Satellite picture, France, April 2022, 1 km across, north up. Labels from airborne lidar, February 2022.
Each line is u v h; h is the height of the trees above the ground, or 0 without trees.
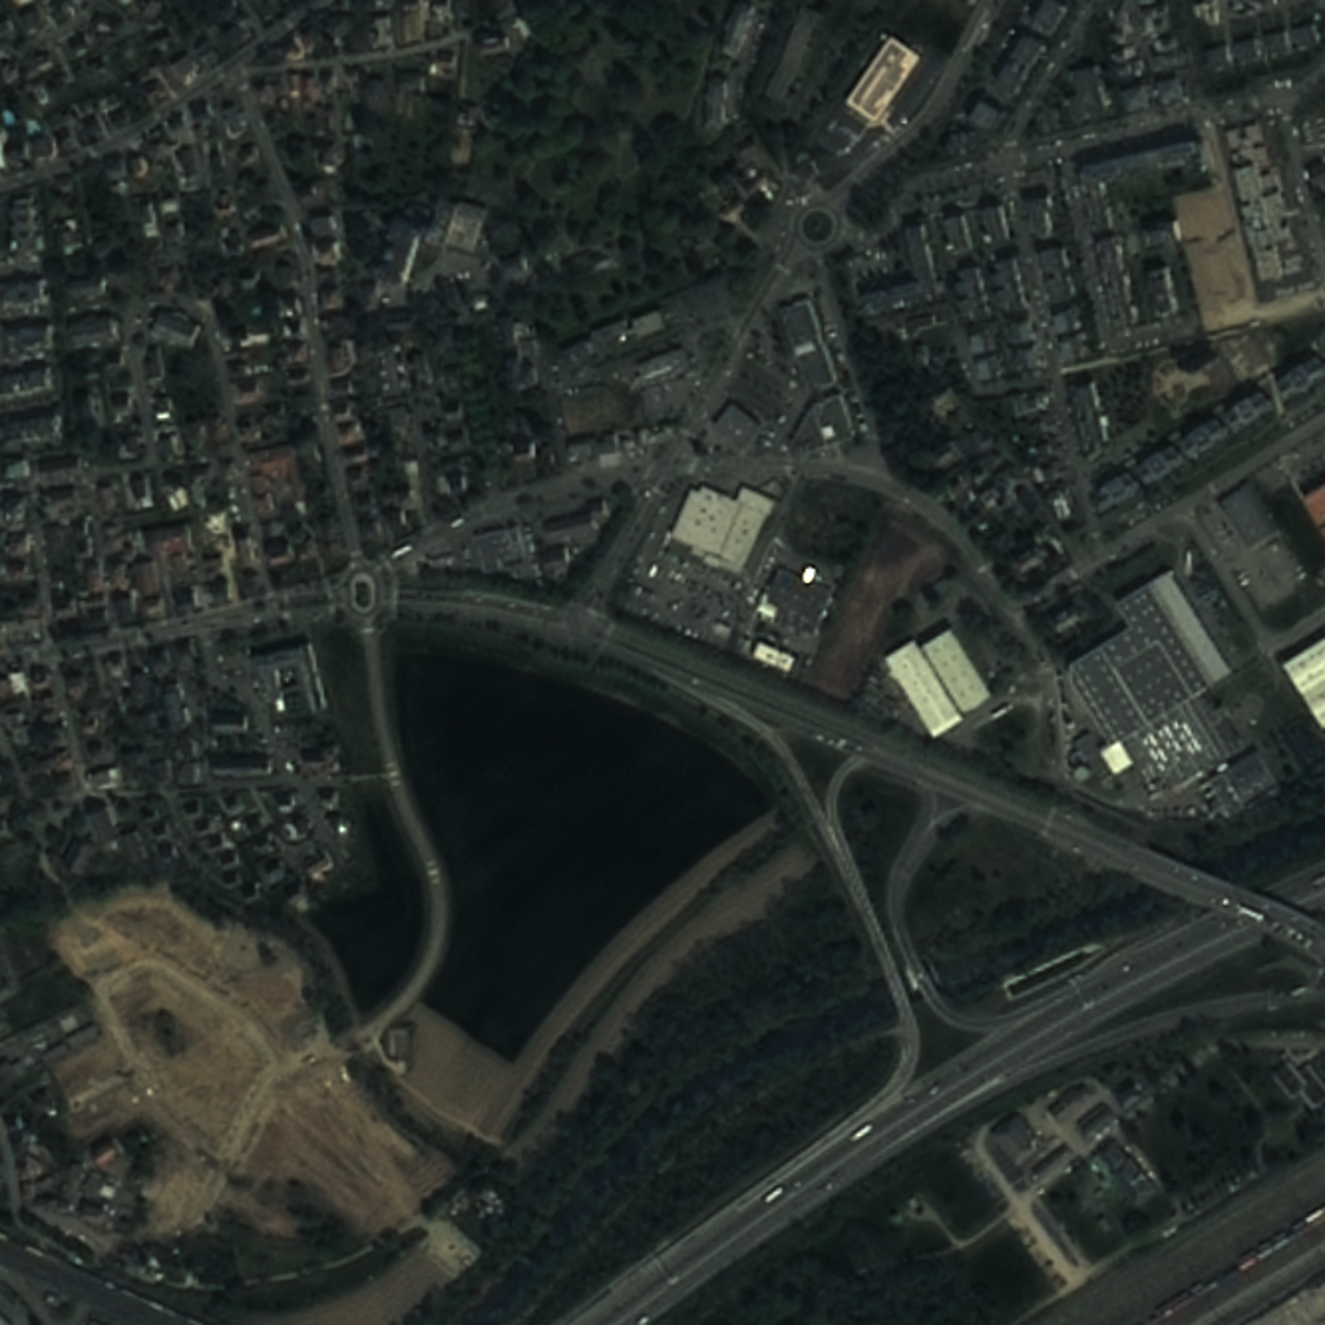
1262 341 0
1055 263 0
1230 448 0
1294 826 0
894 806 0
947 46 0
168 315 0
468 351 17
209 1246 16
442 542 0
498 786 0
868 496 0
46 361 0
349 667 0
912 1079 0
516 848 0
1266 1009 0
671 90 16
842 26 0
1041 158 0
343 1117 0
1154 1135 0
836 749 0
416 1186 0
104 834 0
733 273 14
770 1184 0
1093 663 0
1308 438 0
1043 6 0
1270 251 0
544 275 15
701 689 0
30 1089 0
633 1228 19
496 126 12
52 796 0
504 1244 15
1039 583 10
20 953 0
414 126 0
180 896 10
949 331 0
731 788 0
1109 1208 0
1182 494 0
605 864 0
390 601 0
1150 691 0
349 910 0
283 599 0
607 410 0
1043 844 0
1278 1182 0
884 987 0
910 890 0
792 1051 27
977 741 0
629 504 12
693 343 0
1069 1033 0
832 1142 0
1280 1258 0
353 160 5
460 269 0
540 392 8
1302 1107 0
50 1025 0
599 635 0
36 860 13
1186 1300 0
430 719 0
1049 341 0
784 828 9
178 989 0
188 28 6
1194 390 0
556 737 0
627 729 0
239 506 0
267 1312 7
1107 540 0
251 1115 0
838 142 0
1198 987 0
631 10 21
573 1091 0
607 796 0
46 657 0
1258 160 0
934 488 13
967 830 11
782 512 0
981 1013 0
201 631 0
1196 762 0
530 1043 0
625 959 0
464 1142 10
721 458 0
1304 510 0
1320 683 0
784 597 0
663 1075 18
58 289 8
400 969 0
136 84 7
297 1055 0
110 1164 0
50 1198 0
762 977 14
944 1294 22
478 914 0
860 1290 23
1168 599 0
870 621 0
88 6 5
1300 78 0
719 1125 12
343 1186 0
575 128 26
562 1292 14
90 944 0
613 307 12
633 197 0
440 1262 0
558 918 0
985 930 13
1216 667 0
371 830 0
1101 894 13
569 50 6
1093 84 0
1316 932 0
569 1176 18
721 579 0
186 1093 0
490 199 0
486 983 0
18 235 0
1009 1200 0
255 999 0
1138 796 0
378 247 20
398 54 0
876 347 10
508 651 0
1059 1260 0
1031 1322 0
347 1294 0
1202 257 0
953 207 0
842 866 0
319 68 0
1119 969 0
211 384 0
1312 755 0
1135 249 0
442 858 0
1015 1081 0
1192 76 0
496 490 0
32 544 0
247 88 0
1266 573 0
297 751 0
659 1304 0
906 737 10
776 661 0
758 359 0
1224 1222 0
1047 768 0
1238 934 0
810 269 0
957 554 0
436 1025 0
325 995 19
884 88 0
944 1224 0
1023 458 7
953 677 0
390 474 6
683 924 0
